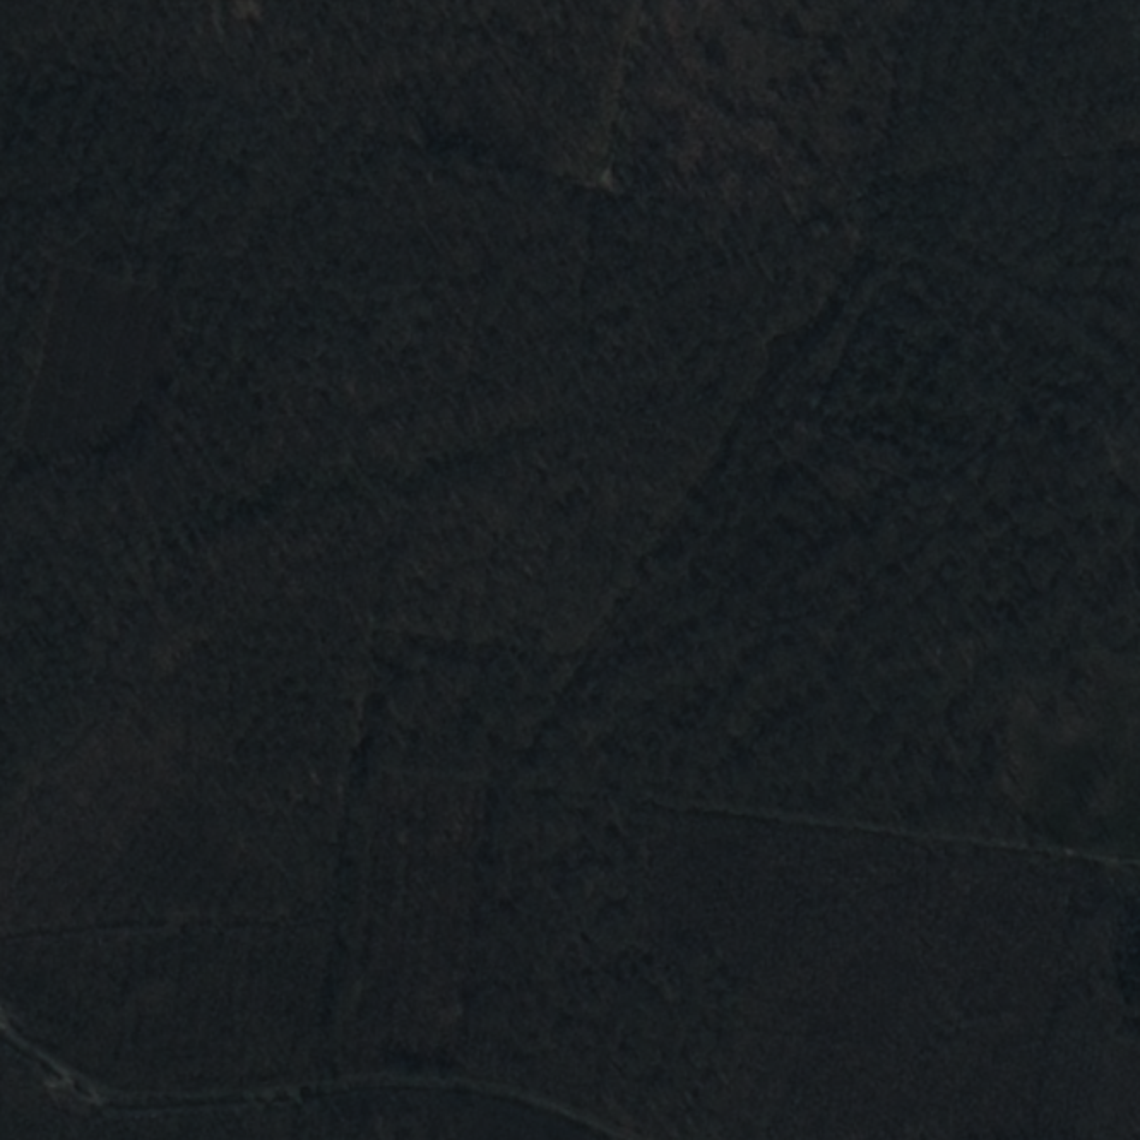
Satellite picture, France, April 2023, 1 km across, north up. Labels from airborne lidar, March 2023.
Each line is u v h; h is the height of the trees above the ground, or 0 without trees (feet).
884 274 80
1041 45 80
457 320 94
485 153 73
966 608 83
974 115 80
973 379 81
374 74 76
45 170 74
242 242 83
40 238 88
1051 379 30
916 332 65
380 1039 56
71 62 72
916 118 75
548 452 78
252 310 74
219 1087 60
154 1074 59
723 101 67
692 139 84
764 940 45
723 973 78
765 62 0
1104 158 83
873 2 88
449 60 75
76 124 84
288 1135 44
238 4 0
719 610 87
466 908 23
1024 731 0
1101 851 62
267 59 70
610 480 56
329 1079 53
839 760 87
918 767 90
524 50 69
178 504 82
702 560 36
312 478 35
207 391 76
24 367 79
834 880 33
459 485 75
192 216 89
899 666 89
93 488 81
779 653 75
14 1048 38
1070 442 85
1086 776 0
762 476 74
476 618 69
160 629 85
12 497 82
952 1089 37
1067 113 89
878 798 48
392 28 80
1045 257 78
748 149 92
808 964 52
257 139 76
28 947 43
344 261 78
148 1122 47
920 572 91
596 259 67
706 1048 72
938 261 76
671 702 66
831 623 88
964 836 83
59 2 74
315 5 78
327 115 68
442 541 86
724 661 80
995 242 81
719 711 80
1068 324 90
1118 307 99
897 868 52
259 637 74
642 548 66
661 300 83
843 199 86
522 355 64
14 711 87
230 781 64
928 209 93
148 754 49
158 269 89
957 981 31
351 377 89
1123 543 75
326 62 69
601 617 64
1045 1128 71
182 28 72
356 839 64
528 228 83
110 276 75
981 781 66
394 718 80
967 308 68
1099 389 72
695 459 72
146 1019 56
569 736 88
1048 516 84
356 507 77
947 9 79
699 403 69
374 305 63
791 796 79
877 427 58
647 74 83
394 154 88
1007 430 81
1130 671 75
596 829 84
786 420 75
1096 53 95
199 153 91
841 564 85
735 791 85
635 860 73
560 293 81
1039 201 81
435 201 96
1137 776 0
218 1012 57
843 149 0
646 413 58
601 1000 86
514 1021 80
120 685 69
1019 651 83
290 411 83
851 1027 42
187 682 65
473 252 88
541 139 81
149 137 87
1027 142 79
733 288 83
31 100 79
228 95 72
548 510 72
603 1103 80
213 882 59
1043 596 90
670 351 59
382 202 70
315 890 73
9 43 76
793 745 85
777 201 96
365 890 70
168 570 86
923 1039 38
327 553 75
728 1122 55
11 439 82
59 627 90
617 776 69
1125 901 71
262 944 53
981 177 61
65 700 84
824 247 75
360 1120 78
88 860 49
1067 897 62
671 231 89
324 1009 48
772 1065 47
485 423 80
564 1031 93
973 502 93
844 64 87
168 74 68
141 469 89
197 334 77
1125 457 84
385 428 80
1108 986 79
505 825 88
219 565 73
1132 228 80
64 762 61
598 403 65
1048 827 0
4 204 88
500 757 75
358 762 67
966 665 92
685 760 68
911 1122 64
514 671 88
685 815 44
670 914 52
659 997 84
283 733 69
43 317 82
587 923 79
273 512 71
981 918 46
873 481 72
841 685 90
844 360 77
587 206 64
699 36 0
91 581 90
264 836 70
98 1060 55
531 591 85
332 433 92
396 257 80
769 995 43
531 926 83
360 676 75
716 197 86
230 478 73
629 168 77
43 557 83
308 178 75
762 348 71
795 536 80
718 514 77
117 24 73
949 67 81
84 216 95
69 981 52
